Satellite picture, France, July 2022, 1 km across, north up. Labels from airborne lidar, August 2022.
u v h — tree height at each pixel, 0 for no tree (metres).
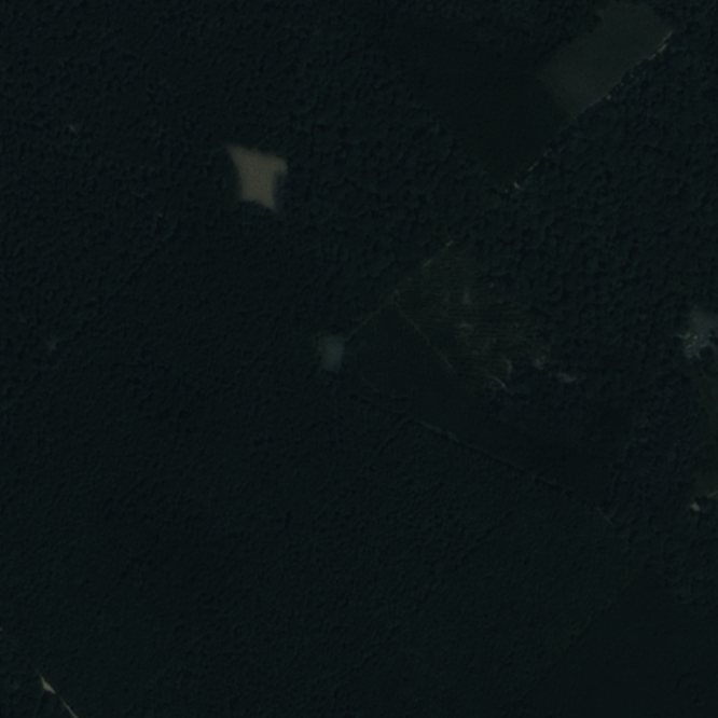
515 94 7
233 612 21
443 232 24
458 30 14
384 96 23
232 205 15
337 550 19
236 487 17
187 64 21
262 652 23
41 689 21
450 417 6
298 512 20
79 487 21
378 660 16
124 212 20
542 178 20
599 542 15
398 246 26
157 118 30
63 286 24
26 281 20
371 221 24
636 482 19
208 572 26
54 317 22
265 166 0
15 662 22
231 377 18
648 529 22
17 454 24
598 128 26
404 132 20
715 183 24
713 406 0
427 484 16
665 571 13
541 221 21
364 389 12
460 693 16
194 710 18
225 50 23
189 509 23
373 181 25
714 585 25
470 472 15
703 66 14
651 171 22
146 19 20
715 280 21
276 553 16
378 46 9
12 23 24
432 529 17
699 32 21
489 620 16
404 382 7
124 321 22
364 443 20
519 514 16
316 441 18
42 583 16
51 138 23
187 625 18
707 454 8
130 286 20
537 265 27
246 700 17
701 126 22
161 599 20
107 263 20
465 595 15
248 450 19
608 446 22
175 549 28
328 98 21
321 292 22
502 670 18
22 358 28
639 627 8
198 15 24
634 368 24
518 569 16
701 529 21
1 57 24
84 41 18
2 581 17
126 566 13
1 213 24
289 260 21
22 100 23
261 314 17
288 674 17
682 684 12
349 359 11
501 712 13
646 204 24
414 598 15
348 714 12
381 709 17
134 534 23
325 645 18
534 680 15
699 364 20
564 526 14
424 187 24
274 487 19
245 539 20
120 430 21
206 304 18
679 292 13
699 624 9
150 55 22
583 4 25
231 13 25
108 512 19
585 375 24
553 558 16
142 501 27
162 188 24
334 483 17
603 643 9
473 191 24
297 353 16
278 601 18
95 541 19
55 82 24
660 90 17
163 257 21
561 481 11
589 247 21
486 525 11
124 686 14
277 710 18
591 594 16
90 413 21
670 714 9
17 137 20
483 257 25
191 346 21
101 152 21
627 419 22
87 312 21
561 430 21
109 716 18
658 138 22
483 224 25
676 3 19
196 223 27
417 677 16
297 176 25
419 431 14
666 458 23
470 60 16
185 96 24
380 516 16
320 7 20
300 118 18
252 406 17
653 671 8
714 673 9
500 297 7
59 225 19
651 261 23
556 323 22
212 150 24
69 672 18
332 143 23
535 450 10
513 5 27
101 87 23
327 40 21
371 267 26
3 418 20
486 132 6
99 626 18
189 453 20
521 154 8
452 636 14
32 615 17
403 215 18
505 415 26
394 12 24
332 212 19
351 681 19
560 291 23
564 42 21
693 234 20
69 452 22
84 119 21
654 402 21
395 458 14
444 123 12
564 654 8
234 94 24
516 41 21
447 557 17
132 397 20
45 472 21
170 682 15
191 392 28
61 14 20
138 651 17
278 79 22
